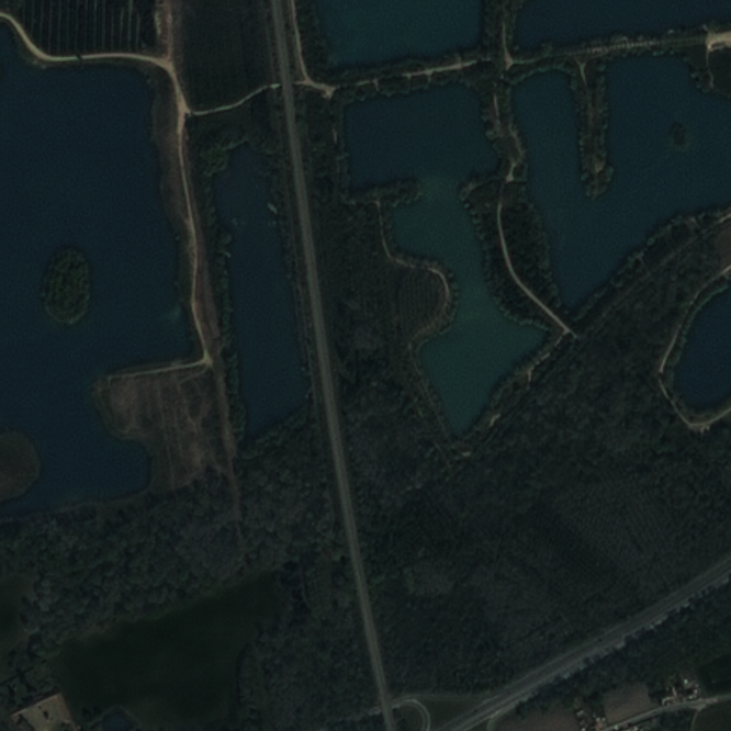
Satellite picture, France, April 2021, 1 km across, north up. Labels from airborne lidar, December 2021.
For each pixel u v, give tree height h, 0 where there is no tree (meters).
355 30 0
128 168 0
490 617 9
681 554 24
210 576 24
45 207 0
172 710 0
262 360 0
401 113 0
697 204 0
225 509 25
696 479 19
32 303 0
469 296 0
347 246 10
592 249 0
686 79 0
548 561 15
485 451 15
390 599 10
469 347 0
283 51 0
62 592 18
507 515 20
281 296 0
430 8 0
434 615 5
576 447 14
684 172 0
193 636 0
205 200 22
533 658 12
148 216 0
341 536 13
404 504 11
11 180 0
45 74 0
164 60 0
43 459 0
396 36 0
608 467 11
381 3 0
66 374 0
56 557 24
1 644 0
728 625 22
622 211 0
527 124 0
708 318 0
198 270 0
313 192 6
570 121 0
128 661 0
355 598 9
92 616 27
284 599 12
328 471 5
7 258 0
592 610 17
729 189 0
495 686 14
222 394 0
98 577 20
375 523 20
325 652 25
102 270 0
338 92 8
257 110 14
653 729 0
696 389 0
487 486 21
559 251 0
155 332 0
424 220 0
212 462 0
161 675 0
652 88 0
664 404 19
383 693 0
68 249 11
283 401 0
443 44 0
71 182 0
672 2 0
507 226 9
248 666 20
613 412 23
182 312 0
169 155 0
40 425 0
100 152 0
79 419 0
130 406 0
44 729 0
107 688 0
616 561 12
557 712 0
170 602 18
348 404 21
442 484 18
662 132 0
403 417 28
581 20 0
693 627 18
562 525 14
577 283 0
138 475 0
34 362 0
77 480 0
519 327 0
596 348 15
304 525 16
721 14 0
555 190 0
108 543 21
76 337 0
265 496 21
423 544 22
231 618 0
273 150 8
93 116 0
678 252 10
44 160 0
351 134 0
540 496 9
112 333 0
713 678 0
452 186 0
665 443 17
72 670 0
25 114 0
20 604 0
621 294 14
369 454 27
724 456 18
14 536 25
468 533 8
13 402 0
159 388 0
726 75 7
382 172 0
